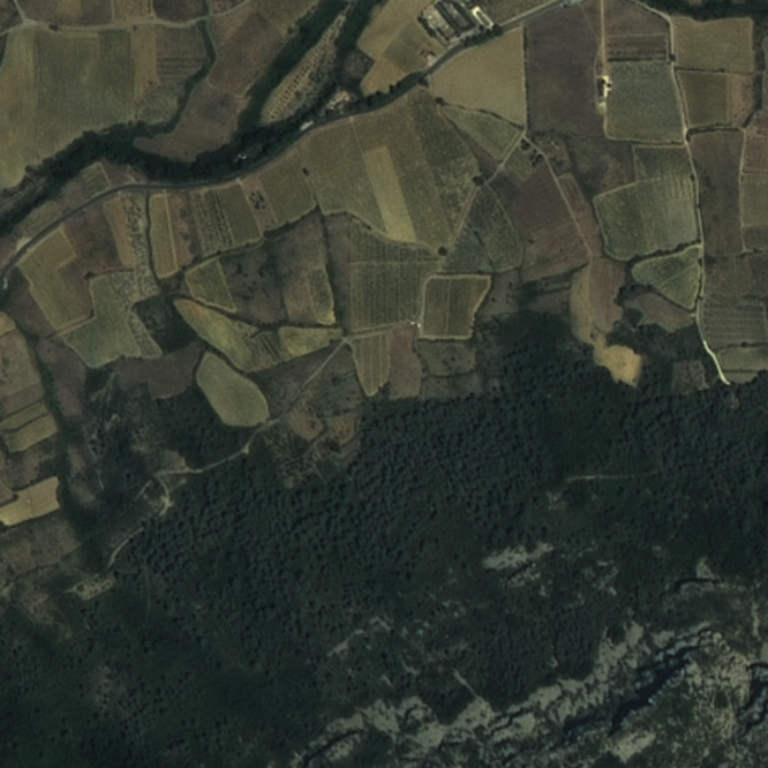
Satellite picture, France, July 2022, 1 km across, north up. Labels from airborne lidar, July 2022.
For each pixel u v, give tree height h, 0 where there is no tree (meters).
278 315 0
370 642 12
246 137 13
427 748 0
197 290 0
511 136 0
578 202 0
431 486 14
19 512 0
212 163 14
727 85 0
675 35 0
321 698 6
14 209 6
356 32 8
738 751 0
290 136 17
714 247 0
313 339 0
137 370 0
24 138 0
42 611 0
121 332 0
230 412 0
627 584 6
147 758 6
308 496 17
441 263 0
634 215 0
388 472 14
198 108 0
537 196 0
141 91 0
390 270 0
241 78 0
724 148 0
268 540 9
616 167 0
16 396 0
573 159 0
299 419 0
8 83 0
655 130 0
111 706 6
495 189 0
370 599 9
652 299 0
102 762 7
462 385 0
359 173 0
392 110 0
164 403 14
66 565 0
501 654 9
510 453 7
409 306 0
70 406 0
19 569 0
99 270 0
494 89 0
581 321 0
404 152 0
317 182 0
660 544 8
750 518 13
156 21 0
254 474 10
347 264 0
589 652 11
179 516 10
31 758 6
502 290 0
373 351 0
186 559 12
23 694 7
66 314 0
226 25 0
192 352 0
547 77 0
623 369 0
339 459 0
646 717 0
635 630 0
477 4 0
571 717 8
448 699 11
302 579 14
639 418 13
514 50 0
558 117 0
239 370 0
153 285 0
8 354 0
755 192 0
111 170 0
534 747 6
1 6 0
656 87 0
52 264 0
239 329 0
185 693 9
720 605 9
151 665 0
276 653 9
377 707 0
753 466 15
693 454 9
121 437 9
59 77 0
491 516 14
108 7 0
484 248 0
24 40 0
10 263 0
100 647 7
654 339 11
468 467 14
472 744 6
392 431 10
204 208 0
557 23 0
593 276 0
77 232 0
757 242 0
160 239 0
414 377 0
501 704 10
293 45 7
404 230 0
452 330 0
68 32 0
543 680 9
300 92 6
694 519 10
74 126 0
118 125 6
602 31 0
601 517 7
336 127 0
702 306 0
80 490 0
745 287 0
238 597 6
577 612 7
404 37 0
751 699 0
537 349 8
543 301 0
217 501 14
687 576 9
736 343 0
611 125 0
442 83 0
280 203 0
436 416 13
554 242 0
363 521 14
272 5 0
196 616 10
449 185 0
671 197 0
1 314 0
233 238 0
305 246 0
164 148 0
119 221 0
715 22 0
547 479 14
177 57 0
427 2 0
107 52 0
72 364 0
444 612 8
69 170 9
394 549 9
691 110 0
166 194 0
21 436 0
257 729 7
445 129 0
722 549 6
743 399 9
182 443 6
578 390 9
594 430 11
